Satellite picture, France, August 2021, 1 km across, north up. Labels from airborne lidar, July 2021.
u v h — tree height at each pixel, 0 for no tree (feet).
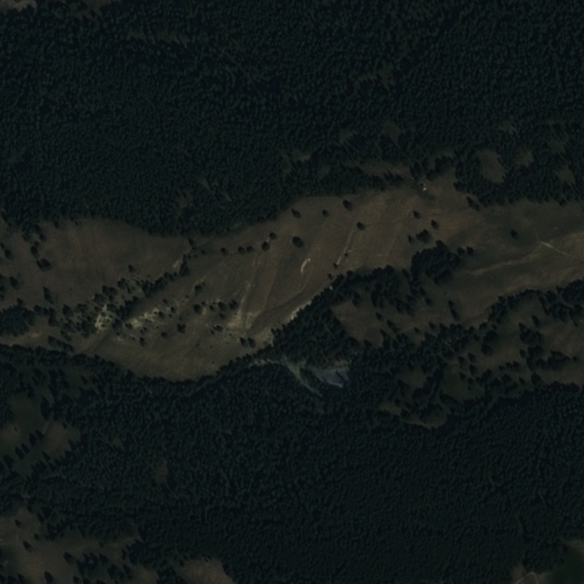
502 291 0
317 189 75
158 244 0
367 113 69
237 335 0
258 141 59
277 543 108
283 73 68
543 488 76
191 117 61
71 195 79
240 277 0
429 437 85
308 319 70
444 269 83
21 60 42
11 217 34
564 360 44
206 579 0
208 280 0
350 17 89
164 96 53
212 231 60
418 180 57
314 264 0
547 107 57
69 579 0
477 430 94
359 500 94
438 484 75
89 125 77
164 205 64
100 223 0
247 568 81
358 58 62
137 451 81
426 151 72
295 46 76
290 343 68
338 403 57
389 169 0
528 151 54
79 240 0
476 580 57
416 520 92
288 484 71
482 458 88
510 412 81
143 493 76
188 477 83
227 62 33
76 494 72
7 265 0
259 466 80
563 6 64
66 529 45
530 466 67
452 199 0
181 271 23
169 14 81
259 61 69
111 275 0
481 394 0
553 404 71
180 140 60
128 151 53
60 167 76
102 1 0
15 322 64
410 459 89
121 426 98
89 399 82
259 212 61
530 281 0
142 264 0
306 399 58
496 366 0
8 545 0
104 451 76
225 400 101
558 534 85
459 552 80
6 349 51
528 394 0
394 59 61
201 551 61
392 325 55
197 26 20
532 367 59
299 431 49
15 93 69
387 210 0
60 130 76
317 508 87
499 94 39
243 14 52
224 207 57
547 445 61
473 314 0
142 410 75
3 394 58
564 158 0
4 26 61
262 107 86
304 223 0
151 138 44
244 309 0
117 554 0
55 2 0
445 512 93
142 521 61
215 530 76
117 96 69
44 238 48
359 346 80
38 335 0
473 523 75
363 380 41
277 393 43
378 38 57
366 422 69
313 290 0
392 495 80
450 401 69
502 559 85
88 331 44
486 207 40
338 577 75
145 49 38
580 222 0
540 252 0
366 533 74
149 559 68
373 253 0
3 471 70
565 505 81
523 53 52
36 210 44
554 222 0
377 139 71
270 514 85
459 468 81
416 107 73
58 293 0
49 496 55
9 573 0
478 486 76
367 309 0
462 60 42
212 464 77
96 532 79
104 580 0
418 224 0
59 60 68
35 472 0
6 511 62
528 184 76
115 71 70
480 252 0
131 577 35
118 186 69
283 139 63
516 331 0
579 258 0
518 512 85
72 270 0
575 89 46
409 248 0
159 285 44
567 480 73
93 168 78
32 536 0
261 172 77
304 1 68
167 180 68
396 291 72
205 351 0
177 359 0
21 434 0
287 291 0
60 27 69
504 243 0
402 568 88
